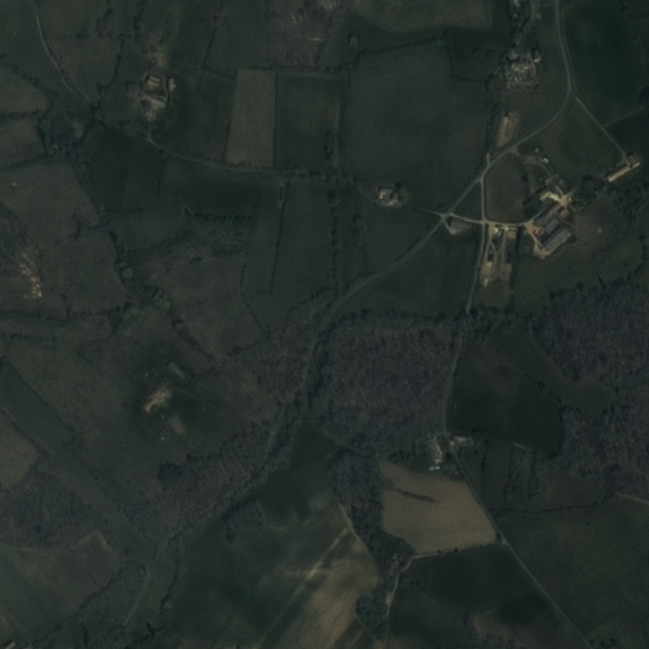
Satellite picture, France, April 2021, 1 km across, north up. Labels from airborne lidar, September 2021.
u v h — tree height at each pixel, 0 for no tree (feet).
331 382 61
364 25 0
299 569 0
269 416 0
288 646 0
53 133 21
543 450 0
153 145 0
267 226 0
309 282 0
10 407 0
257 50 0
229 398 0
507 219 0
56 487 53
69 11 0
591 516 0
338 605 0
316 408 73
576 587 0
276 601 0
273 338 39
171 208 0
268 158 0
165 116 0
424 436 52
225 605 0
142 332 0
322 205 0
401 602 0
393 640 0
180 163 0
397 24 0
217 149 0
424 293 0
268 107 0
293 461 0
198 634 0
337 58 0
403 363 27
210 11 0
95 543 0
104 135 0
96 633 75
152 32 0
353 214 0
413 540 0
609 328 44
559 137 0
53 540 42
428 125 0
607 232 0
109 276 0
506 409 0
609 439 49
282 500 0
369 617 43
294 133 0
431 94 0
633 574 0
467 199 0
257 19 0
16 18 0
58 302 0
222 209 0
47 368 0
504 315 54
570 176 0
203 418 0
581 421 43
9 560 0
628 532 0
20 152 0
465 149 0
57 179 0
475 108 0
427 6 0
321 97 0
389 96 0
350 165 0
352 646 0
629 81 0
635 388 42
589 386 0
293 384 40
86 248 0
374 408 53
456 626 0
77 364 0
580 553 0
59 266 0
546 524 0
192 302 0
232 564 0
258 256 0
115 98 0
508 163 0
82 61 0
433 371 31
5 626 0
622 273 0
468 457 0
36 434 0
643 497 45
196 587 0
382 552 23
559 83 0
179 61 0
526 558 0
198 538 0
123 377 0
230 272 0
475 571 0
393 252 0
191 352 0
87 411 0
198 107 0
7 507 41
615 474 43
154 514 41
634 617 0
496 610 0
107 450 0
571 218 0
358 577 0
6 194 0
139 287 21
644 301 64
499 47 0
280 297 0
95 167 0
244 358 58
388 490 50
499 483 0
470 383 0
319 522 0
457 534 0
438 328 36
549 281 0
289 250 0
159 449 0
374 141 0
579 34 0
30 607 0
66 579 0
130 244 0
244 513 53
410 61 0
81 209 0
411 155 0
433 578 0
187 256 0
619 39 0
